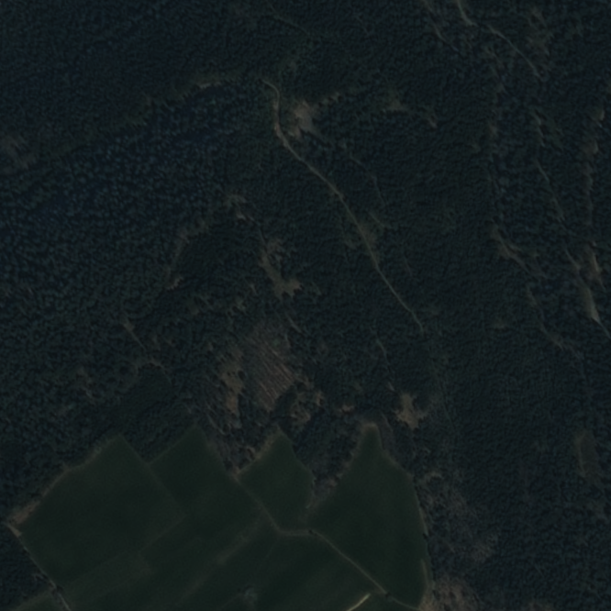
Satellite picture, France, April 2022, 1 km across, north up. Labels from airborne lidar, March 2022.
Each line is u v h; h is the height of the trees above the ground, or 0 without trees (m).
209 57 22
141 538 0
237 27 20
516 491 21
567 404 25
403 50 22
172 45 20
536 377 20
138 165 8
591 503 21
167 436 16
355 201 19
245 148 21
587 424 25
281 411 13
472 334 25
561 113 13
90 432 25
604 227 17
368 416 29
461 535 24
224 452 20
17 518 23
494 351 21
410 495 0
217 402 24
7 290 28
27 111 23
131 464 0
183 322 22
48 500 0
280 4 25
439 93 18
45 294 29
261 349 32
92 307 27
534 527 24
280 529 0
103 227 24
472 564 26
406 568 0
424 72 17
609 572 25
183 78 20
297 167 16
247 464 15
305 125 0
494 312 18
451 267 26
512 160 20
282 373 33
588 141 36
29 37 18
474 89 22
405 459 22
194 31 23
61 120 25
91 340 25
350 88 19
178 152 23
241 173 19
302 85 18
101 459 0
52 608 0
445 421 19
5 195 30
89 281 16
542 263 17
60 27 19
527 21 20
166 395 13
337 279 23
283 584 0
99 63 21
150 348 13
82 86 27
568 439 32
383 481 0
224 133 18
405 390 24
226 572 0
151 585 0
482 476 24
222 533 0
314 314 25
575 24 17
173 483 0
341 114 21
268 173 18
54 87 19
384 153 15
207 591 0
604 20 19
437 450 16
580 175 15
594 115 18
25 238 30
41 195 19
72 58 22
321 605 0
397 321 18
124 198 21
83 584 0
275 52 16
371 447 0
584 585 27
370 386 22
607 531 25
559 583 24
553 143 12
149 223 19
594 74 14
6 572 25
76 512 0
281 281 0
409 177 25
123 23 19
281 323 28
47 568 0
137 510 0
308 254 18
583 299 34
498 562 25
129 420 15
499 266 24
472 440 23
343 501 0
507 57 32
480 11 19
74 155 15
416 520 0
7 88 16
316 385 13
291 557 0
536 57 22
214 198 23
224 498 0
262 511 0
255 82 10
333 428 26
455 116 23
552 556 28
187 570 0
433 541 14
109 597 0
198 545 0
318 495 13
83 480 0
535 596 27
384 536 0
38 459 39
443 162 24
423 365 18
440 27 36
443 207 22
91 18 22
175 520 0
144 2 19
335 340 23
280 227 20
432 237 19
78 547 0
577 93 21
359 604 0
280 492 0
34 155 22
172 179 19
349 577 0
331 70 17
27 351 26
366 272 19
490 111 26
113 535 0
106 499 0
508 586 28
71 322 25
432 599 0
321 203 20
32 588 20
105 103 19
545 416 23
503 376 26
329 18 25
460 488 23
